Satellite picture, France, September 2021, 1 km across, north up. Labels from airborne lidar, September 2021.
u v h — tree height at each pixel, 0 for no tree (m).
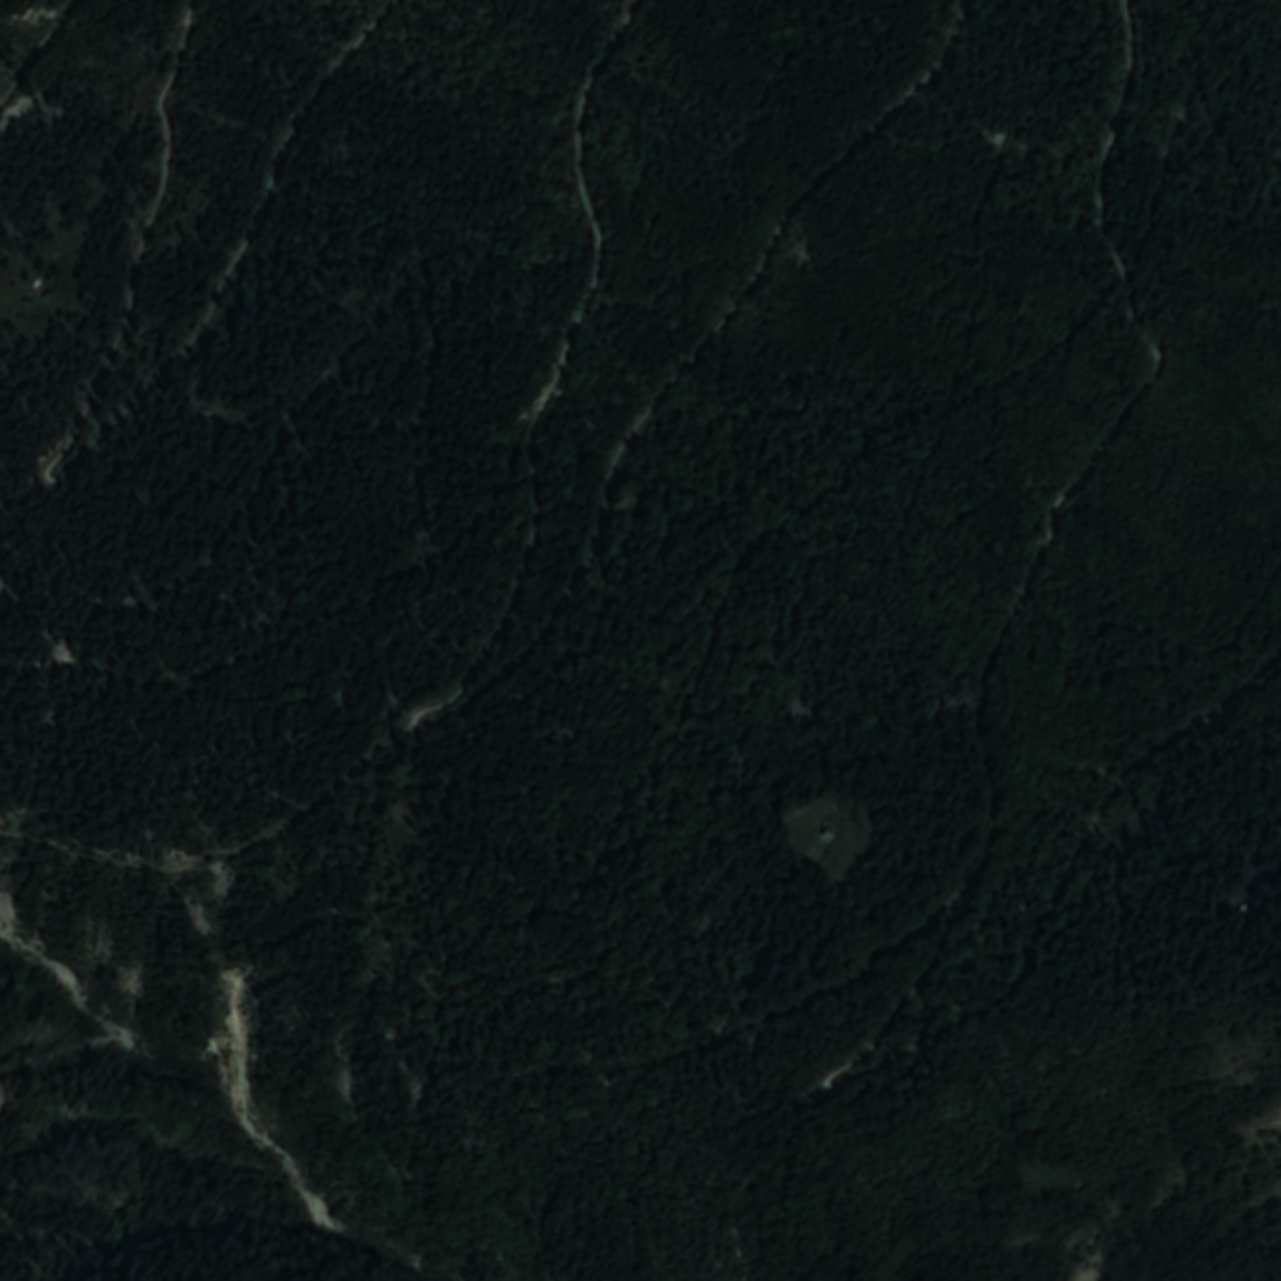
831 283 18
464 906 12
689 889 26
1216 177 19
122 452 21
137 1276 27
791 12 14
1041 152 13
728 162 8
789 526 15
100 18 14
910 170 14
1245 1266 25
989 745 27
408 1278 11
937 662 24
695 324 11
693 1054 6
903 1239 24
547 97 10
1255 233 18
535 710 19
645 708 16
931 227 17
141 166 22
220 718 10
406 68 9
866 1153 20
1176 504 19
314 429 10
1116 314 14
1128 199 19
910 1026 21
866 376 17
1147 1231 24
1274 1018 22
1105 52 17
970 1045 26
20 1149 13
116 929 10
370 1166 21
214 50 9
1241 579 14
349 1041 7
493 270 13
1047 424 15
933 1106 19
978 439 16
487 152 12
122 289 7
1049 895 15
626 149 12
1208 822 22
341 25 7
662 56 14
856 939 27
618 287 16
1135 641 24
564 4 19
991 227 19
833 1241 18
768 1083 16
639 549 21
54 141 8
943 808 28
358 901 13
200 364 14
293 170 15
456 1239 17
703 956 19
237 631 24
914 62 12
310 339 27
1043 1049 15
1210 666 19
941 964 18
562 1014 32
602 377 13
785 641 28
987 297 14
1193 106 25
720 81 15
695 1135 21
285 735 14
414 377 15
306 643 21
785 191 14
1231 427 13
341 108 16
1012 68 12
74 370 19
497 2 15
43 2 12
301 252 8
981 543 18
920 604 16
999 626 13
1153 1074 21
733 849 21
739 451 6
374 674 14
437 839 19
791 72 14
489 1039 17
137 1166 12
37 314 0
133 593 23
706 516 18
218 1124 7
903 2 14
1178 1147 17
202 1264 24
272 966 21
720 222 14
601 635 23
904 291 19
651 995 14
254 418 14
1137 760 10
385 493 16
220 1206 15
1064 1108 19
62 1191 15
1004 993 20
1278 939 32
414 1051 24
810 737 28
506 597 11
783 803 27
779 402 22
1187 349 15
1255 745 19
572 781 23
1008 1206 15
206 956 14
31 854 12
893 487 17
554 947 15
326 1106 21
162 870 8
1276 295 18
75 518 24
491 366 18
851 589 18
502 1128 24
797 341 14
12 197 22
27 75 8
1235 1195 10
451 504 21
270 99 16
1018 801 25
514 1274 13
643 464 18
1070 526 16
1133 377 16
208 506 24
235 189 12
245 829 20
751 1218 26
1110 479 17
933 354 14
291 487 17
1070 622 18
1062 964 30
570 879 22
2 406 15
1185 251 17
